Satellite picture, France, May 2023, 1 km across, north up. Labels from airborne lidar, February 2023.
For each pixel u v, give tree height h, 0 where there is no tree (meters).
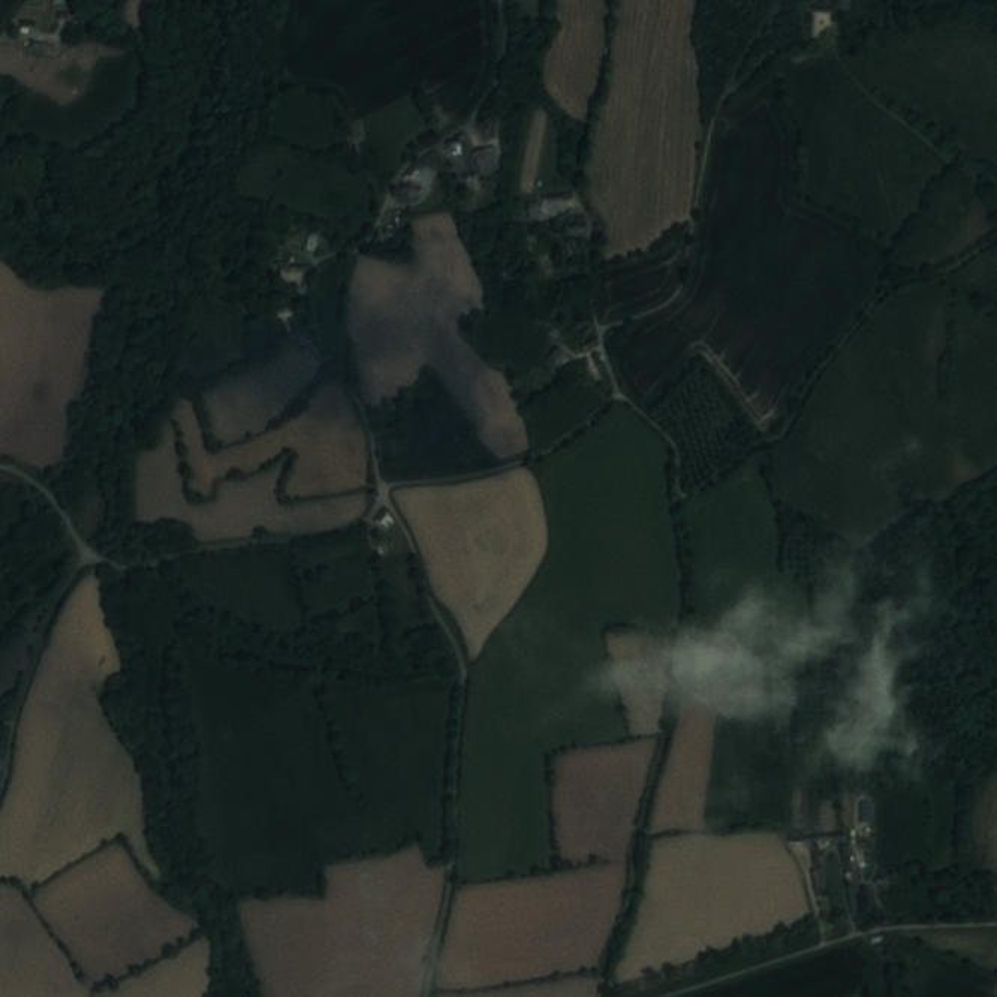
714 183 0
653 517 0
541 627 0
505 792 0
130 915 0
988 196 20
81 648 0
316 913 0
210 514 0
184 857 17
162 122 20
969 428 0
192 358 0
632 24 0
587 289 19
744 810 0
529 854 0
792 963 0
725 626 0
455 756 8
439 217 0
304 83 0
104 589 13
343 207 0
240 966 9
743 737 0
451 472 0
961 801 14
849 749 7
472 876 0
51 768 0
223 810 0
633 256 10
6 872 0
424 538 0
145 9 16
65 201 19
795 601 0
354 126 0
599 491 0
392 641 13
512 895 0
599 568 0
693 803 0
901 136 0
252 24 20
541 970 0
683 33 0
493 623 0
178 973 0
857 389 0
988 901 17
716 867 0
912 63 0
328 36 0
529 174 0
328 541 13
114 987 13
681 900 0
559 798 0
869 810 0
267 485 0
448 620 0
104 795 0
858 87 0
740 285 0
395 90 0
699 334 0
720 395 7
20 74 0
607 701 0
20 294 0
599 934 0
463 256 0
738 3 9
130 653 11
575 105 0
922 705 19
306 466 0
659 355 0
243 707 0
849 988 0
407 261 13
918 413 0
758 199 0
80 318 0
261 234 15
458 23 0
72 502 21
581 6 0
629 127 0
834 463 0
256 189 0
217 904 21
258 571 0
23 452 0
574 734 0
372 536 9
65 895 0
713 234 0
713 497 0
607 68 12
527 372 0
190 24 24
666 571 0
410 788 0
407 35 0
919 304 0
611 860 0
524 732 0
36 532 20
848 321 0
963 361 0
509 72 19
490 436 0
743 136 0
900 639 18
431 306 0
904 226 10
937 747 15
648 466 0
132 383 20
